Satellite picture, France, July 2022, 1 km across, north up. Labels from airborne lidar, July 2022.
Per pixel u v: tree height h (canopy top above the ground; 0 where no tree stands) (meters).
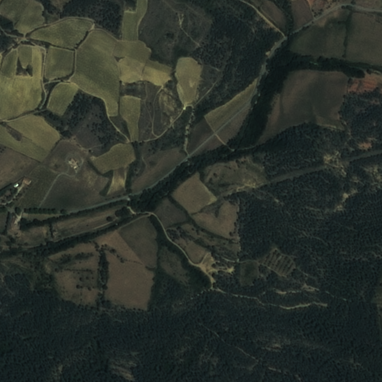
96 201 0
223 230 0
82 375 21
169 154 0
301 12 0
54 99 0
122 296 0
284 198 12
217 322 16
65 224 0
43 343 19
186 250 0
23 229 13
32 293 20
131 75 0
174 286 9
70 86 0
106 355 15
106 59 0
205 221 0
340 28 0
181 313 7
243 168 0
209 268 0
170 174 6
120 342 19
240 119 0
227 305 9
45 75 0
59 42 0
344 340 21
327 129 11
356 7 0
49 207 0
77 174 0
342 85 0
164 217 0
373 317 21
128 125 0
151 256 0
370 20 0
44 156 0
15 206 0
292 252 9
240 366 13
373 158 10
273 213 11
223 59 7
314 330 20
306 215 11
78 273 6
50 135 0
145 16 0
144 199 11
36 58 0
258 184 0
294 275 15
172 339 17
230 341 17
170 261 0
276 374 16
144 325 19
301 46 0
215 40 12
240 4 9
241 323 16
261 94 7
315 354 19
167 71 0
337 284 16
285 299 10
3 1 0
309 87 0
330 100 0
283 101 0
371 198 11
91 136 0
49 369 21
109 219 17
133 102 0
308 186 10
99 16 9
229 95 7
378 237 18
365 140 6
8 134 0
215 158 14
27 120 0
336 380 19
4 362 24
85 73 0
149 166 0
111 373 24
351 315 16
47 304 20
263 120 10
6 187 10
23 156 0
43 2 10
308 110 0
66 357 17
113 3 9
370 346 21
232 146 19
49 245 19
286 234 10
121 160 0
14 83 0
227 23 10
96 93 0
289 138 18
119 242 0
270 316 11
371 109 8
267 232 16
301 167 10
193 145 0
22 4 0
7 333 23
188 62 0
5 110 0
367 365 17
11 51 0
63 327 10
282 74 13
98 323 18
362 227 17
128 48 0
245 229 12
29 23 0
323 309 7
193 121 10
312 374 11
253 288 13
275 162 14
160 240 6
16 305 19
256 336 12
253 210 14
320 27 0
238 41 13
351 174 11
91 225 0
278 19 0
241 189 0
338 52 0
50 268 0
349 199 11
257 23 8
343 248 12
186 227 0
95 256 0
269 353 12
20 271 0
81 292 0
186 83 0
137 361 9
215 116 0
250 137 7
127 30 0
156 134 0
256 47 13
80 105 10
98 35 0
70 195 0
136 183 0
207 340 18
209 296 16
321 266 16
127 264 0
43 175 0
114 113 0
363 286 15
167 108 0
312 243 12
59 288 0
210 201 0
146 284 0
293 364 12
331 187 6
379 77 0
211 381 16
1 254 7
